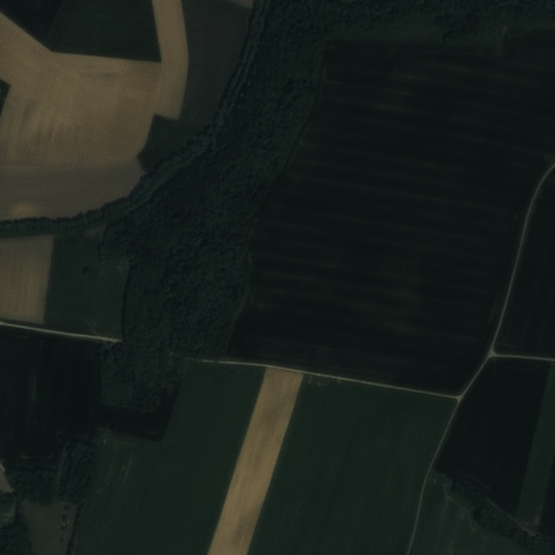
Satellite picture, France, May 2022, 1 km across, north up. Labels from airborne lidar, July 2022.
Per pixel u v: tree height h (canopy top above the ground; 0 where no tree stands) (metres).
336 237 0
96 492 0
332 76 0
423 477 0
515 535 16
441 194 0
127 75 0
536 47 0
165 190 23
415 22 0
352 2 0
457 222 0
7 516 0
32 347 0
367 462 0
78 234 0
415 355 0
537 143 0
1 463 0
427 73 0
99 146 0
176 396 0
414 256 0
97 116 0
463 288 0
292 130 21
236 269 34
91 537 0
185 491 0
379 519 0
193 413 0
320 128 0
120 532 0
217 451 0
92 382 0
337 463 0
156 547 0
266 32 20
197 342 27
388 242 0
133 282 15
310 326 0
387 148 0
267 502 0
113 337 0
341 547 0
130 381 22
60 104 0
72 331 0
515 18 12
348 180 0
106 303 0
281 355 0
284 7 26
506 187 0
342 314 0
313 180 0
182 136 0
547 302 0
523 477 0
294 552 0
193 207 27
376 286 0
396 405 0
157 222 23
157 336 25
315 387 0
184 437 0
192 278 31
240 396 0
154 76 0
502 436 0
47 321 0
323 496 0
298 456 0
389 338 0
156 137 0
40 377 0
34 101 0
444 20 23
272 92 29
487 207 0
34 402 0
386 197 0
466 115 0
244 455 0
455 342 0
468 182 0
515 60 0
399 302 0
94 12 0
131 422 0
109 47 0
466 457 0
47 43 0
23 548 18
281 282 0
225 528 0
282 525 0
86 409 0
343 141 0
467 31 14
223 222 22
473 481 0
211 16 0
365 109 0
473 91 0
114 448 0
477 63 0
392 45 0
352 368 0
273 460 0
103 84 0
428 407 0
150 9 0
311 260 0
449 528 0
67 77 0
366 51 0
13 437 0
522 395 0
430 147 0
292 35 23
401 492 0
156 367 30
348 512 0
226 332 23
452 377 0
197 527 0
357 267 0
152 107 0
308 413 0
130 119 0
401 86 0
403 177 0
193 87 0
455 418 0
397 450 0
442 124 0
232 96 18
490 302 0
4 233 14
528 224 0
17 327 0
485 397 0
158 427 0
